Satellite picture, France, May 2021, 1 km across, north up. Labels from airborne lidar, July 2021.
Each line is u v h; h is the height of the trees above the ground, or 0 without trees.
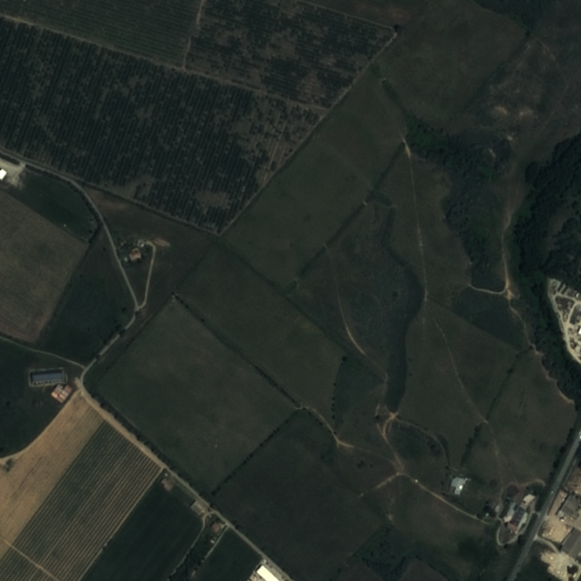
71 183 14
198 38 6
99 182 6
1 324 0
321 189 0
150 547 0
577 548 0
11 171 0
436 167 0
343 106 0
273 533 0
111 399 0
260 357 0
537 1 12
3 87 6
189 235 0
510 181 0
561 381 9
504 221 0
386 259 0
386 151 0
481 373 0
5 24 6
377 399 0
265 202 0
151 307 0
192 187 5
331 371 0
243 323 0
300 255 0
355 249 0
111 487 0
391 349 0
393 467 0
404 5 0
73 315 0
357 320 0
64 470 0
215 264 0
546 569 0
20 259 0
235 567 0
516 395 0
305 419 0
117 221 0
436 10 0
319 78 6
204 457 0
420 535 0
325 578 0
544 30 0
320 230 0
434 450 9
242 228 0
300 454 0
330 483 0
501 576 0
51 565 0
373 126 0
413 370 0
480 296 0
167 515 0
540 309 7
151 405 0
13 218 0
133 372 0
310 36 6
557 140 0
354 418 0
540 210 21
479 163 13
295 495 0
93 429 0
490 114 0
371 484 0
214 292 0
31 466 0
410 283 0
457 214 13
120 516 0
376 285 0
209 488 0
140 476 0
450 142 7
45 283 0
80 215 0
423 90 0
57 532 0
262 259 0
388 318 0
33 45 6
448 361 0
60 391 0
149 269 0
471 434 0
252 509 0
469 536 0
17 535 0
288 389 0
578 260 13
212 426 0
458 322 0
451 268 0
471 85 0
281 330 0
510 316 0
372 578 0
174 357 0
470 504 0
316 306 0
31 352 0
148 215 0
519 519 0
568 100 0
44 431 0
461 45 0
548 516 0
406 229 0
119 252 10
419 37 0
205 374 0
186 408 0
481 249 6
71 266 0
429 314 0
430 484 0
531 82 0
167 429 0
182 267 0
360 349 0
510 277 0
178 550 0
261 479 0
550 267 17
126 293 0
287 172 0
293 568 0
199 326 0
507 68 0
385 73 0
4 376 0
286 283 0
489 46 0
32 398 0
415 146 11
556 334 19
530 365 0
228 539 0
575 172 16
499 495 0
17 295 0
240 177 6
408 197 0
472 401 0
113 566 0
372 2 0
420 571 0
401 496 0
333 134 0
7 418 0
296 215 0
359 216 0
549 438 0
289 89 5
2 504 0
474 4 0
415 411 0
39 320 0
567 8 0
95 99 6
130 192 0
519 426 0
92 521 0
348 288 0
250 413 0
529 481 0
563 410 0
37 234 0
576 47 0
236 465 0
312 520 0
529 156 0
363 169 0
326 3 0
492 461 0
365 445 0
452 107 0
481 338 0
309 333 0
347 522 0
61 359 0
